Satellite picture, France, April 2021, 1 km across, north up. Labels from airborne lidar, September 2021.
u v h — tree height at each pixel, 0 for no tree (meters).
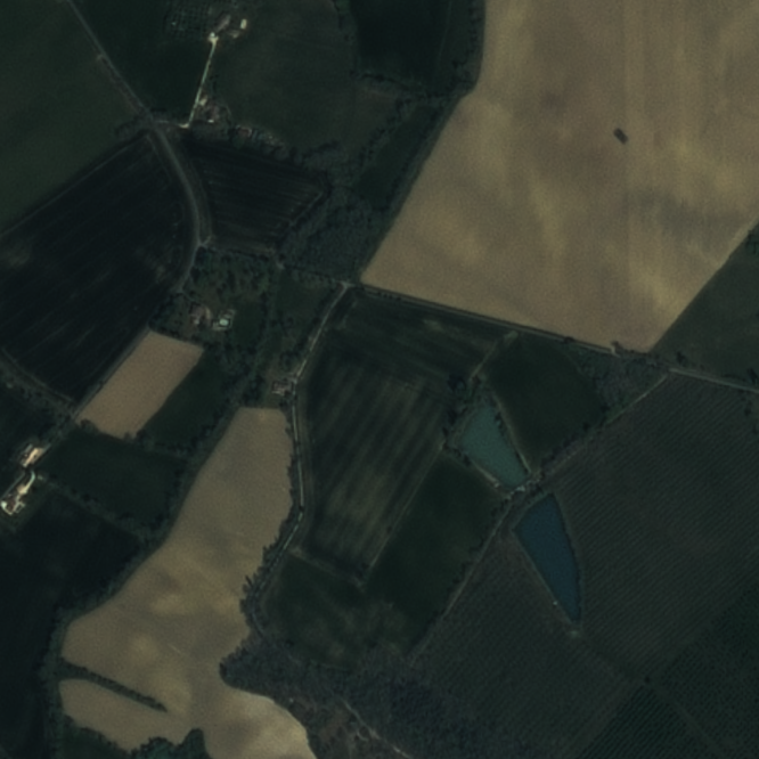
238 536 0
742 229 0
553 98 0
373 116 0
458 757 10
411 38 0
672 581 8
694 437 6
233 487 0
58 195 0
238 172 0
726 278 0
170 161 0
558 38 0
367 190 0
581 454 13
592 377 7
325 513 0
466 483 0
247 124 0
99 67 0
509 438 10
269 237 0
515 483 0
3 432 0
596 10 0
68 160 0
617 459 7
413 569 0
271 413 0
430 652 10
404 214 0
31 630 0
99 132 0
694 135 0
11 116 0
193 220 0
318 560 0
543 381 0
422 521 0
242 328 0
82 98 0
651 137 0
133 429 0
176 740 0
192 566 0
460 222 0
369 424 0
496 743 19
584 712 10
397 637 0
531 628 10
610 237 0
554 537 0
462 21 0
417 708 12
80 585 0
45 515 0
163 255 0
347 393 0
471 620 9
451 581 0
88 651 0
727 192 0
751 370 0
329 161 21
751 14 0
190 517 0
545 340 0
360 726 15
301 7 0
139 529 15
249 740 0
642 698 6
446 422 0
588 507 6
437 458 0
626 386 18
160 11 0
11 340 0
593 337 0
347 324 0
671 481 7
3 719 0
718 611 7
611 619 9
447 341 0
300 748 0
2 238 0
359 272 13
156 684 0
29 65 0
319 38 0
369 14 0
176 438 0
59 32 0
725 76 0
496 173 0
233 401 20
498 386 0
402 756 9
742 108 0
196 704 0
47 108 0
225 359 16
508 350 0
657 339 0
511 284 0
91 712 0
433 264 0
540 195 0
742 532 8
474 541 0
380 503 0
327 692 16
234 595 0
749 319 0
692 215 0
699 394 7
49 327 0
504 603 11
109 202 0
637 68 0
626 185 0
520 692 11
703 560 6
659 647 9
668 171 0
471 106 0
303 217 0
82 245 0
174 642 0
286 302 0
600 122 0
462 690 10
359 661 0
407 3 0
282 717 0
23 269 0
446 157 0
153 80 0
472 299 0
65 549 0
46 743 0
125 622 0
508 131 0
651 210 0
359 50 0
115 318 0
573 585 0
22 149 0
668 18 0
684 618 8
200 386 0
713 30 0
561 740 11
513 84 0
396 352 0
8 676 0
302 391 10
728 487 7
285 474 0
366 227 18
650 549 8
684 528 6
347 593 0
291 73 0
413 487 0
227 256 12
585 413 0
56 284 0
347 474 0
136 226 0
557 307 0
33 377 0
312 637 0
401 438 0
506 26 0
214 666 0
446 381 0
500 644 10
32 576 0
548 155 0
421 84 0
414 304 0
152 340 0
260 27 0
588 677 10
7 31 0
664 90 0
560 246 0
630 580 7
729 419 6
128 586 0
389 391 0
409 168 13
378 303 0
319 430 0
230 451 0
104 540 0
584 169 0
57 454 0
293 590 0
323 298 0
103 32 0
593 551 6
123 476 0
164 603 0
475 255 0
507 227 0
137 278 0
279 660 20
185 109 0
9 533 0
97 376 0
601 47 0
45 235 0
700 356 0
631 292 0
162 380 0
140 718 0
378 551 0
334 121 0
